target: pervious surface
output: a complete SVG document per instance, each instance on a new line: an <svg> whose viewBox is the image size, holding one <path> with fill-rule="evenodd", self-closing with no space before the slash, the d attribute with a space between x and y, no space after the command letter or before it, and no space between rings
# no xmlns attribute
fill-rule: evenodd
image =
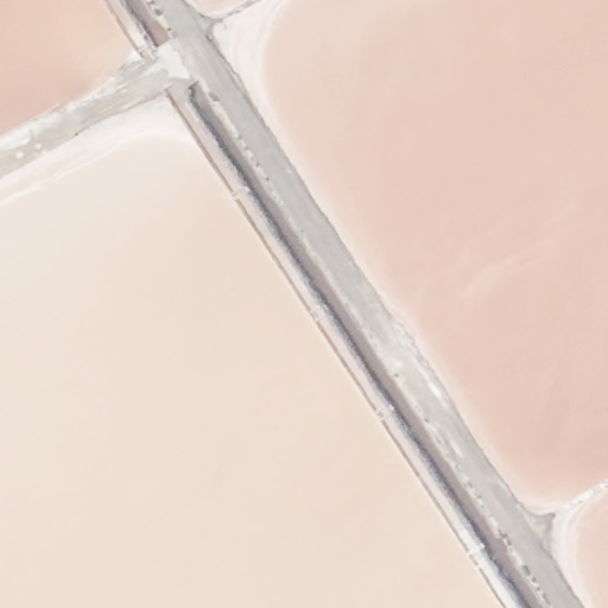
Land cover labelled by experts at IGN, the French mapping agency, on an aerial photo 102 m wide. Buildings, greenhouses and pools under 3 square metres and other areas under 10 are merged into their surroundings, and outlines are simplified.
<svg viewBox="0 0 608 608"><path fill-rule="evenodd" d="M456 385L456 380L444 371L432 349L420 352L416 337L406 340L404 325L392 323L392 311L385 306L375 287L368 283L359 264L354 261L352 252L337 235L335 226L318 207L306 183L297 173L295 164L287 159L273 131L259 114L259 107L271 100L264 86L264 50L273 31L273 21L287 7L290 0L261 0L240 12L238 17L233 17L230 21L221 21L221 17L207 17L197 12L188 0L143 0L145 10L150 12L150 19L154 19L166 33L164 45L152 45L143 36L143 31L138 29L138 24L133 21L121 0L102 0L109 14L114 17L119 31L124 31L124 36L131 33L131 52L138 52L138 62L121 64L119 74L109 76L105 83L97 83L93 90L71 100L67 107L40 114L33 121L26 121L24 126L0 135L0 178L26 166L38 154L83 135L88 128L112 116L131 114L157 100L169 100L173 112L202 150L209 166L216 171L226 190L238 202L238 209L261 240L264 249L287 280L290 290L306 309L306 314L314 318L318 333L323 335L321 347L325 349L328 361L337 368L337 375L344 380L347 392L359 401L366 418L373 423L378 437L394 456L394 463L399 463L413 492L423 499L423 504L439 523L442 534L466 558L466 565L473 570L475 582L492 601L492 608L520 608L513 594L499 580L494 565L487 561L482 544L473 537L466 520L458 515L458 511L430 473L428 463L401 430L399 420L392 413L392 406L373 387L371 378L366 375L359 359L352 354L333 318L314 297L306 280L292 264L290 254L273 235L268 221L249 197L249 190L242 185L235 169L228 164L216 140L200 121L188 97L190 83L197 83L202 88L207 105L221 119L240 154L257 173L261 188L278 204L287 226L295 230L295 235L299 238L306 254L328 280L340 304L354 318L356 328L361 330L361 335L366 337L366 342L371 344L371 349L375 352L375 356L380 359L380 363L409 401L411 411L418 416L420 425L428 430L435 449L447 461L451 473L458 477L470 501L477 506L477 511L492 527L494 537L504 542L511 561L518 568L518 575L532 589L542 608L584 608L565 575L580 565L577 539L584 513L591 508L591 504L601 501L608 494L608 477L603 477L599 485L591 485L589 489L568 501L530 494L525 501L518 501L511 487L499 475L499 470L487 458L487 454L482 451L482 447L477 444L477 439L473 437L473 432L468 430L468 425L463 423L456 401L447 394Z"/></svg>

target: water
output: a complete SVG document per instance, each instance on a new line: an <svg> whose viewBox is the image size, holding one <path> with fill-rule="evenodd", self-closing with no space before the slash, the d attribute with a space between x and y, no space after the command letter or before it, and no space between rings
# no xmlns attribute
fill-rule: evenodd
<svg viewBox="0 0 608 608"><path fill-rule="evenodd" d="M131 33L124 36L124 31L119 31L114 17L109 14L102 0L0 0L0 135L24 126L26 121L33 121L40 114L67 107L71 100L93 90L97 83L105 83L109 76L119 74L121 64L138 62L138 52L131 52Z"/></svg>
<svg viewBox="0 0 608 608"><path fill-rule="evenodd" d="M188 0L197 12L207 17L221 17L221 21L230 21L233 17L238 17L240 12L261 0Z"/></svg>
<svg viewBox="0 0 608 608"><path fill-rule="evenodd" d="M0 178L0 608L492 608L492 601L475 582L473 570L466 565L466 558L442 534L439 523L423 504L423 499L413 492L399 463L394 463L394 456L378 437L373 423L366 418L359 401L347 392L344 380L337 375L337 368L328 361L325 349L321 347L323 335L318 333L314 318L306 314L306 309L290 290L287 280L264 249L261 240L238 209L238 202L226 190L216 171L209 166L202 150L173 112L169 100L157 100L131 114L112 116L88 128L83 135L38 154L26 166Z"/></svg>
<svg viewBox="0 0 608 608"><path fill-rule="evenodd" d="M608 494L601 501L591 504L591 508L584 513L577 539L580 565L565 575L584 608L608 608Z"/></svg>
<svg viewBox="0 0 608 608"><path fill-rule="evenodd" d="M306 254L299 238L295 235L295 230L287 226L278 204L261 188L257 173L240 154L221 119L207 105L202 88L197 83L190 83L188 97L200 121L216 140L228 164L235 169L242 185L249 190L249 197L268 221L273 235L290 254L292 264L306 280L314 297L333 318L352 354L359 359L366 375L371 378L373 387L392 406L392 413L399 420L401 430L428 463L430 473L458 511L458 515L466 520L473 537L482 544L487 561L494 565L499 580L513 594L520 608L542 608L532 589L518 575L518 568L511 561L504 542L494 537L492 527L477 511L477 506L470 501L458 477L451 473L447 461L435 449L428 430L420 425L418 416L411 411L409 401L380 363L380 359L375 356L375 352L371 349L371 344L366 342L366 337L361 335L361 330L356 328L354 318L340 304L328 280Z"/></svg>
<svg viewBox="0 0 608 608"><path fill-rule="evenodd" d="M295 164L297 173L306 183L318 207L335 226L337 235L352 252L354 261L359 264L368 283L375 287L385 306L392 311L392 323L404 325L406 340L416 337L420 352L432 349L444 371L456 380L456 385L447 394L456 401L463 423L468 425L468 430L473 432L473 437L477 439L477 444L482 447L482 451L487 454L487 458L499 470L499 475L511 487L518 501L525 501L530 494L568 501L589 489L591 485L599 485L603 477L608 477L608 0L290 0L287 7L273 21L273 31L264 50L264 86L271 100L259 107L259 114L273 131L287 159Z"/></svg>
<svg viewBox="0 0 608 608"><path fill-rule="evenodd" d="M150 12L145 10L143 0L121 0L133 21L138 24L138 29L143 31L143 36L152 45L164 45L166 33L154 19L150 19Z"/></svg>

